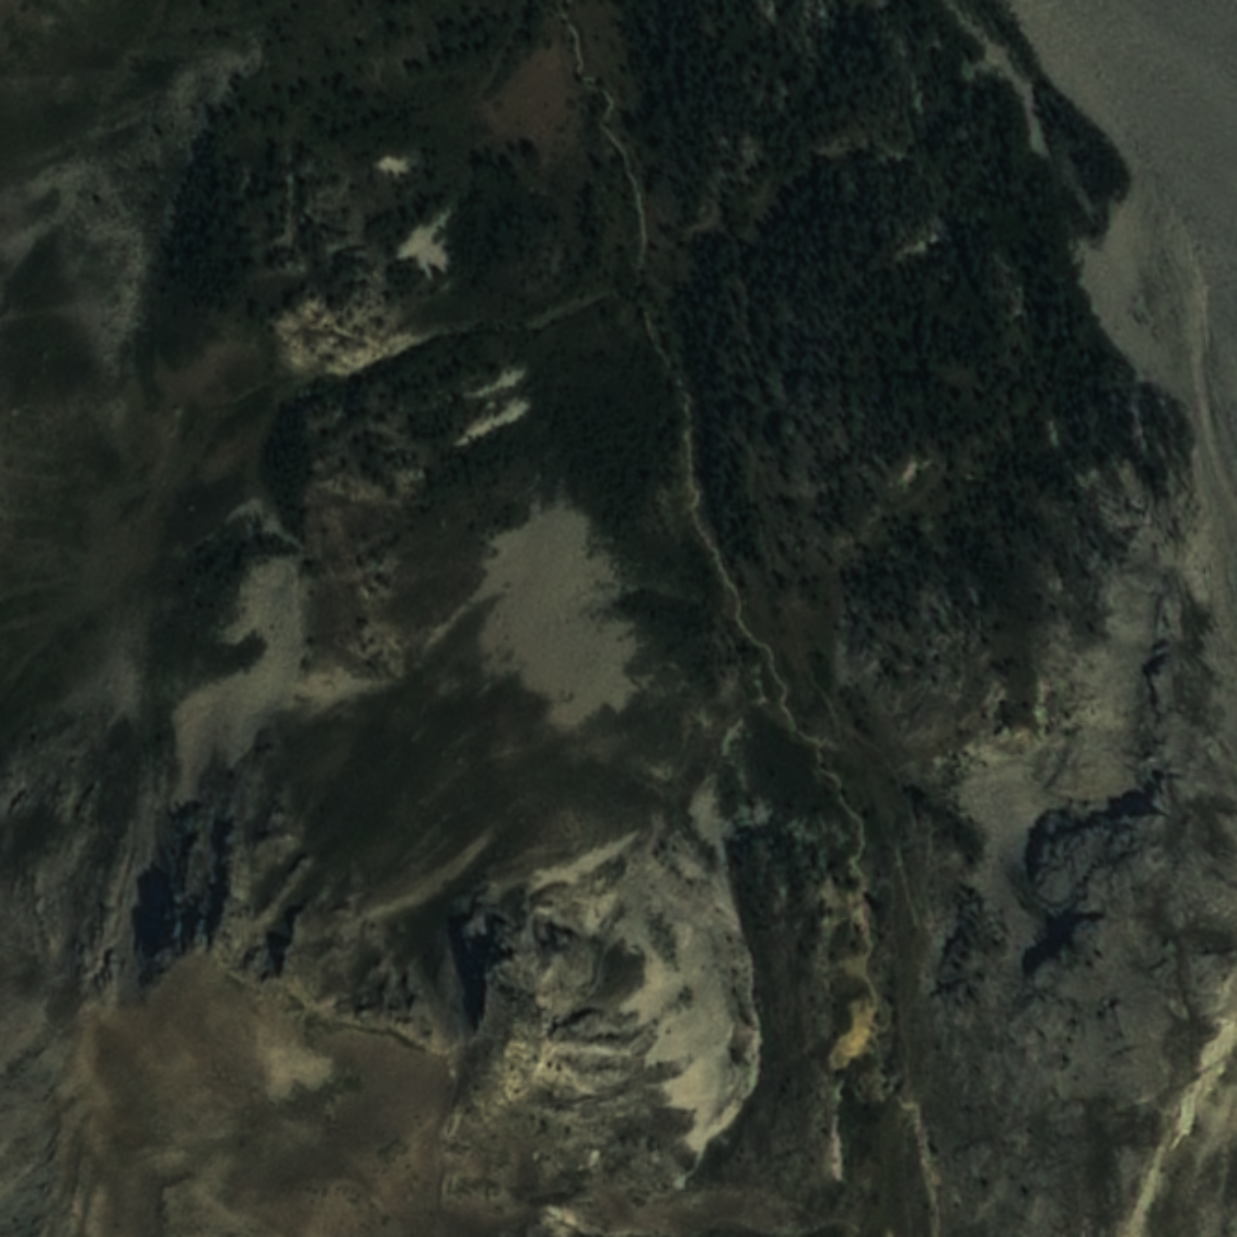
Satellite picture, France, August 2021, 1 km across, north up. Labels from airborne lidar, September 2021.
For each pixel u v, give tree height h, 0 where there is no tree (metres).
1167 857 0
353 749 0
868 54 19
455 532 0
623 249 7
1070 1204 0
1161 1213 0
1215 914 0
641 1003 0
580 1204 0
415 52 0
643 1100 0
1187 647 0
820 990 0
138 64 0
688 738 0
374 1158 0
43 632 0
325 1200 0
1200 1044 0
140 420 0
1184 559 0
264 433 0
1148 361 0
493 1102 0
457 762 0
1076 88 0
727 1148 0
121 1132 0
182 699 0
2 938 0
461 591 0
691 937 0
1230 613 0
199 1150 0
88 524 0
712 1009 0
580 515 0
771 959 0
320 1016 0
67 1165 0
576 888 0
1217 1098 0
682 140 7
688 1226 0
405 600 0
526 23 7
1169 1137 0
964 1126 0
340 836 0
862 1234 0
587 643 0
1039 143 0
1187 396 0
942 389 17
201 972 0
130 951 0
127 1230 0
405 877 0
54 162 0
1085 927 0
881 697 0
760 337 15
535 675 0
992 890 0
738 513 9
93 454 0
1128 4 0
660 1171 0
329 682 0
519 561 0
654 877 0
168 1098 0
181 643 0
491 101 0
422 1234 0
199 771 0
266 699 0
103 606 0
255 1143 0
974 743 0
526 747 0
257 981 0
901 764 0
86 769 0
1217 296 0
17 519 0
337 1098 0
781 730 0
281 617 0
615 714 0
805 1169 0
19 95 0
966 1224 0
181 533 0
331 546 0
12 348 0
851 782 0
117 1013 0
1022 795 0
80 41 0
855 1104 0
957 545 8
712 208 0
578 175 0
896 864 0
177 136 0
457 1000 0
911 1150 0
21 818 0
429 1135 0
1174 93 0
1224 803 0
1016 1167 0
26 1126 0
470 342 9
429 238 0
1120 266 0
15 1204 0
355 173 0
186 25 0
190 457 0
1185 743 0
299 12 13
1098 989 0
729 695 0
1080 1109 0
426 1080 0
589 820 0
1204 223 0
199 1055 0
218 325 0
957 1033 0
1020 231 0
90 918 0
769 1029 0
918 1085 0
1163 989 0
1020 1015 0
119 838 0
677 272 0
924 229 7
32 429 0
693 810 0
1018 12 0
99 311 0
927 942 0
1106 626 0
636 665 0
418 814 0
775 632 0
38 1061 0
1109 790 0
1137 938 0
